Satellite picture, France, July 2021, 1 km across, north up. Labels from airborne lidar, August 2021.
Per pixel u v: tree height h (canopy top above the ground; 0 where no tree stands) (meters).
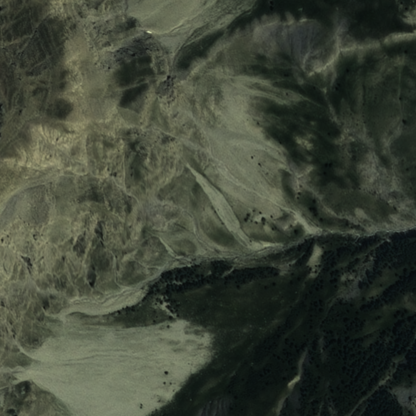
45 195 0
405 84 0
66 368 0
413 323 18
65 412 0
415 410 0
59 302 0
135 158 0
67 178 0
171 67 0
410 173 0
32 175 0
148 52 0
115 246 0
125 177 0
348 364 7
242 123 0
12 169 0
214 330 0
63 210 0
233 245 0
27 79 0
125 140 0
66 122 0
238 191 0
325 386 0
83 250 0
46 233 0
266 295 0
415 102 0
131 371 0
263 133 0
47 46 0
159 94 0
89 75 0
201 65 0
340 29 0
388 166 0
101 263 0
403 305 0
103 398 0
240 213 0
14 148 0
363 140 0
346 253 13
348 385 13
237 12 0
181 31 0
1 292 0
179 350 0
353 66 0
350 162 0
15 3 0
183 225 0
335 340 12
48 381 0
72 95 0
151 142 0
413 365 23
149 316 0
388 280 0
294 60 0
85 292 0
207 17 0
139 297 0
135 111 0
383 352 15
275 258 0
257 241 0
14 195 0
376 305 13
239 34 0
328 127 0
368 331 0
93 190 0
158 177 0
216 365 0
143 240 0
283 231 0
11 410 0
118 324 0
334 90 0
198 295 0
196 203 0
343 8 0
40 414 0
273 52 0
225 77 0
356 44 0
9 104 0
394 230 0
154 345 0
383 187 0
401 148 0
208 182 0
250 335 0
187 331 0
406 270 16
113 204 0
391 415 18
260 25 0
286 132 0
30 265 0
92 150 0
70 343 0
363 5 0
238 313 0
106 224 0
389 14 0
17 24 0
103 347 0
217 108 0
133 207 0
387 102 0
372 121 0
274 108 0
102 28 0
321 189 0
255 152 0
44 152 0
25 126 0
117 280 0
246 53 0
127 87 0
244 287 0
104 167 0
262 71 0
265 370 11
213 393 0
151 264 0
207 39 0
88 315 0
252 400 0
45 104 0
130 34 0
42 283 0
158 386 0
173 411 0
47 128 0
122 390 0
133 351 0
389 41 0
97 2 0
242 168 0
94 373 0
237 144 0
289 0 0
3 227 0
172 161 0
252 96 0
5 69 0
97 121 0
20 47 0
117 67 0
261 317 0
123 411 0
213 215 0
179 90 0
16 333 0
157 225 0
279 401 0
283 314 0
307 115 0
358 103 0
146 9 0
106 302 0
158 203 0
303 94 0
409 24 0
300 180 0
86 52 0
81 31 0
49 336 0
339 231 0
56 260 0
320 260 0
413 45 0
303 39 0
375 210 0
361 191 0
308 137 0
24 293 0
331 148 0
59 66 0
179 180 0
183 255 0
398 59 0
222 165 0
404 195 0
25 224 0
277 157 0
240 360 0
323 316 0
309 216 0
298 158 0
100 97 0
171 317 13
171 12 0
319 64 0
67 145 0
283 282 0
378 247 6
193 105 0
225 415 0
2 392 0
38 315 0
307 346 13
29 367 0
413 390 0
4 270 0
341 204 0
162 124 0
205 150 0
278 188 0
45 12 0
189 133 0
